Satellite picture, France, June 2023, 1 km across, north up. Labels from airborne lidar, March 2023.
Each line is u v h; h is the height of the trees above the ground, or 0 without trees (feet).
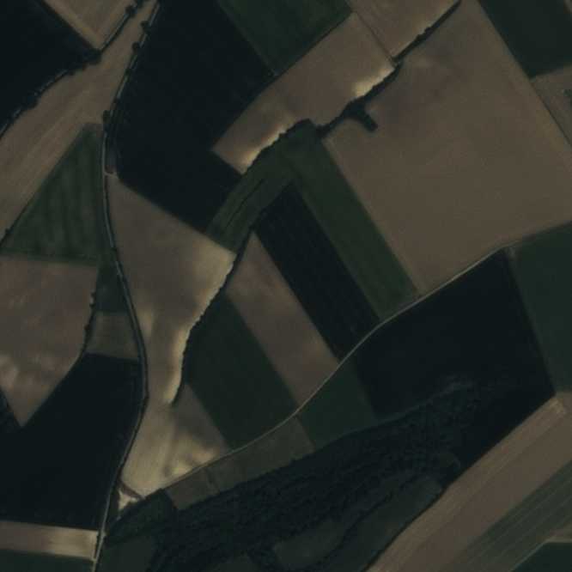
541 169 0
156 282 0
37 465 0
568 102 0
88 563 0
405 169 0
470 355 0
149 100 0
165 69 0
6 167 0
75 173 0
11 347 0
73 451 0
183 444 0
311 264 0
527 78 0
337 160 0
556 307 0
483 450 0
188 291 0
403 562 0
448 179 0
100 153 0
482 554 0
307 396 0
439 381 0
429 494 0
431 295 0
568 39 0
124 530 27
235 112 0
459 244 0
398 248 0
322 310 0
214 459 0
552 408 0
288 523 49
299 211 0
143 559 0
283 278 0
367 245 0
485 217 0
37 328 0
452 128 0
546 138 0
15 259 0
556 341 0
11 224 0
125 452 0
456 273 0
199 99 0
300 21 0
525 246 0
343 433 0
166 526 52
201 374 0
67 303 0
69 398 0
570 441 0
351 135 0
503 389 79
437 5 0
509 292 0
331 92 0
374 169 0
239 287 0
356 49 0
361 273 0
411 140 0
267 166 0
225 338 0
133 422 0
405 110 0
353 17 0
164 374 0
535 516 0
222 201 0
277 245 0
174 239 0
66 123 0
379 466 60
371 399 0
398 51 0
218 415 0
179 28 0
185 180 0
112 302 0
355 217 0
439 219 0
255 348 0
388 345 0
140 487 0
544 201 0
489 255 0
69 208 0
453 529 0
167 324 0
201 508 52
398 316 0
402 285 0
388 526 0
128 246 0
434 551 0
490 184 0
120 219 0
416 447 82
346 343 0
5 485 0
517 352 0
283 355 0
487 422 0
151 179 0
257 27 0
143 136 0
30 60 0
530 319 0
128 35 0
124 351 0
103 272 0
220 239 0
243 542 44
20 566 0
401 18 0
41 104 0
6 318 0
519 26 0
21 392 0
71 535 0
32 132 0
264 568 46
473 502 0
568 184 0
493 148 0
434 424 75
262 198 0
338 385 0
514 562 0
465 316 0
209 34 0
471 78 0
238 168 0
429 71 0
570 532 0
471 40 0
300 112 0
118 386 0
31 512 0
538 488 0
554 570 0
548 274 0
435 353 0
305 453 0
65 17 0
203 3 0
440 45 0
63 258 0
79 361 0
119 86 0
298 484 49
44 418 0
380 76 0
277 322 0
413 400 0
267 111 0
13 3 0
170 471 0
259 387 0
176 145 0
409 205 0
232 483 0
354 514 0
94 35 0
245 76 0
